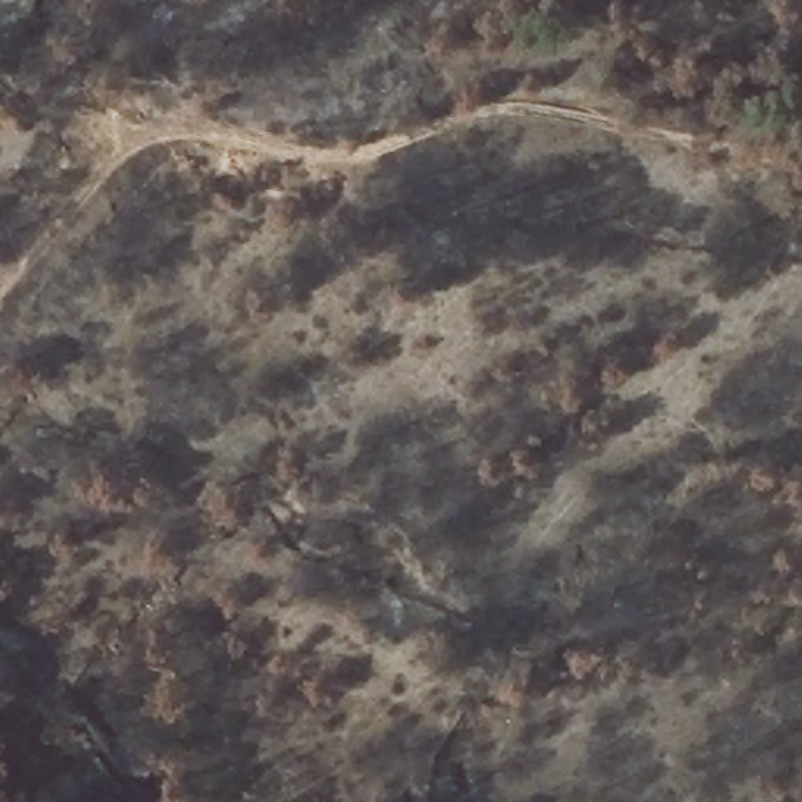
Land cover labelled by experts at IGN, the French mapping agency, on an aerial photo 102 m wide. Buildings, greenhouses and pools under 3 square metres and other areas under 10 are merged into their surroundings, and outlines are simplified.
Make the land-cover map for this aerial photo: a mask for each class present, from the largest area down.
<instances>
[{"label":"bare soil","instance_id":"1","mask_svg":"<svg viewBox=\"0 0 802 802\"><path fill-rule=\"evenodd\" d=\"M479 16L470 0H404L388 6L385 16H367V25L360 28V47L351 56L332 60L329 72L316 78H298L288 69L235 78H191V72H179L175 78H122V91H88L85 81H72L63 88V97L56 103L41 100L34 107L28 94H34L41 81H34L31 75L0 72V702L9 705L16 717L28 721L31 727H44L41 746H31L34 761H44L47 771H78L81 777H88L91 796L85 802H163L160 777H135L138 764L132 749L135 730L150 717L144 705L147 664L141 652L154 627H163L175 636V642L185 648V670L194 680V711L182 724V730L185 755L191 761L197 796L204 802H802V128L793 122L786 128V141L777 144L774 125H739L727 138H714L702 132H674L664 125H633L630 119L636 103L627 100L620 91H602L605 75L614 66V53L623 44L620 22L586 28L580 38L551 47L511 44L508 50H479Z\"/></svg>","mask_w":802,"mask_h":802},{"label":"coniferous trees","instance_id":"2","mask_svg":"<svg viewBox=\"0 0 802 802\"><path fill-rule=\"evenodd\" d=\"M404 0H0V72L31 75L34 81H41L34 94H28L34 107L41 100L56 103L63 97V88L72 81H85L88 91H122V78H175L179 72H191V78H235L288 69L298 78H316L329 72L332 60L351 56L360 47V28L367 25V16H385L388 6ZM479 16V50H508L511 44L551 47L580 38L586 28L620 22L623 44L614 53V66L605 75L602 91H620L627 100L636 103L630 119L633 125H664L674 132H702L714 138H727L739 125H774L777 144L786 141V128L793 122L802 128V0H470ZM147 664L144 705L150 717L135 730L132 749L138 764L135 777H160L163 802H204L197 796L191 761L185 755L182 730V724L194 711V680L185 670V648L175 642V636L163 627H154L141 652ZM44 727H31L28 721L16 717L9 705L0 702V802H85L91 796L88 777H81L78 771H47L44 761H34L31 746H41Z\"/></svg>","mask_w":802,"mask_h":802}]
</instances>
